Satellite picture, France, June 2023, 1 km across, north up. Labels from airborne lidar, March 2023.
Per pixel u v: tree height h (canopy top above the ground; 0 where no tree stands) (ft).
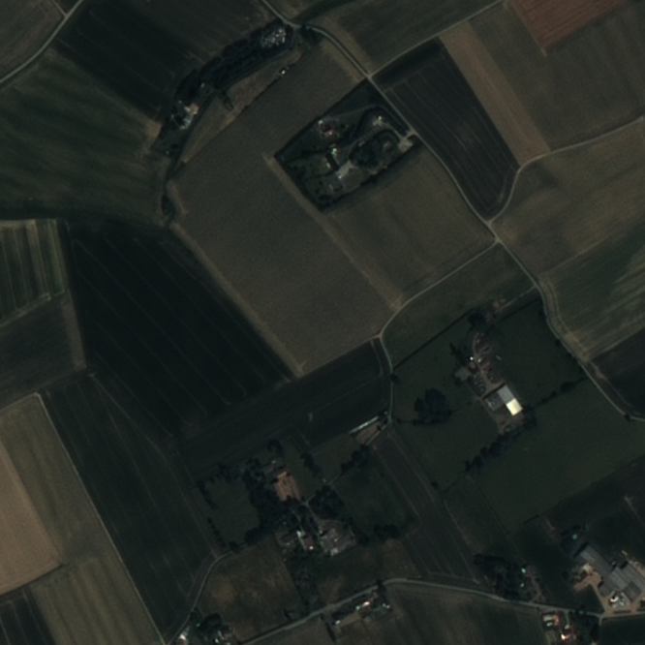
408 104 0
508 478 0
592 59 0
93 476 0
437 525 0
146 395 0
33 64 0
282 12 0
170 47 0
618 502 0
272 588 0
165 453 0
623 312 0
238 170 0
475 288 0
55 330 0
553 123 0
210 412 0
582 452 0
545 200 0
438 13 0
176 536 0
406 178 0
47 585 0
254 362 0
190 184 0
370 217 0
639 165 0
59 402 0
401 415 0
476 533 0
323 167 0
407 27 0
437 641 0
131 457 0
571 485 0
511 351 0
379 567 0
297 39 0
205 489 87
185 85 33
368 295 0
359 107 0
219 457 0
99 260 0
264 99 0
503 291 0
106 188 0
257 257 0
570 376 0
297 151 0
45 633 0
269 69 0
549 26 0
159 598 0
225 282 0
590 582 0
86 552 0
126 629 0
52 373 0
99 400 0
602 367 0
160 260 0
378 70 0
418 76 0
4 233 0
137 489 0
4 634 0
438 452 0
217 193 0
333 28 0
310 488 0
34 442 0
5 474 0
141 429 0
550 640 0
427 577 0
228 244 0
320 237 0
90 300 0
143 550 0
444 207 0
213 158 0
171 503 0
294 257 0
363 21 0
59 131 0
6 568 0
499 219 0
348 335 0
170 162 0
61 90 0
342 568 0
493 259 0
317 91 0
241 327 0
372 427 0
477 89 0
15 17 0
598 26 0
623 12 0
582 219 0
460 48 0
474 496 0
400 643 0
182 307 0
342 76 0
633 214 0
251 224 0
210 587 0
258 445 0
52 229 0
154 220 0
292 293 0
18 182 0
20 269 0
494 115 0
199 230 0
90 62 0
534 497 0
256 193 0
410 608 0
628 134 0
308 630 0
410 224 0
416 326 0
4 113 0
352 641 0
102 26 0
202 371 0
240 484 0
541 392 0
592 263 0
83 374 0
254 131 0
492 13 0
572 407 0
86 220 0
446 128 0
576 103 0
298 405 0
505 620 0
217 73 67
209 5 0
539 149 0
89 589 0
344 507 38
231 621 0
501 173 0
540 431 0
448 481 0
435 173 0
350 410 0
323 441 0
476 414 0
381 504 0
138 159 0
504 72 0
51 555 0
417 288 0
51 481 0
